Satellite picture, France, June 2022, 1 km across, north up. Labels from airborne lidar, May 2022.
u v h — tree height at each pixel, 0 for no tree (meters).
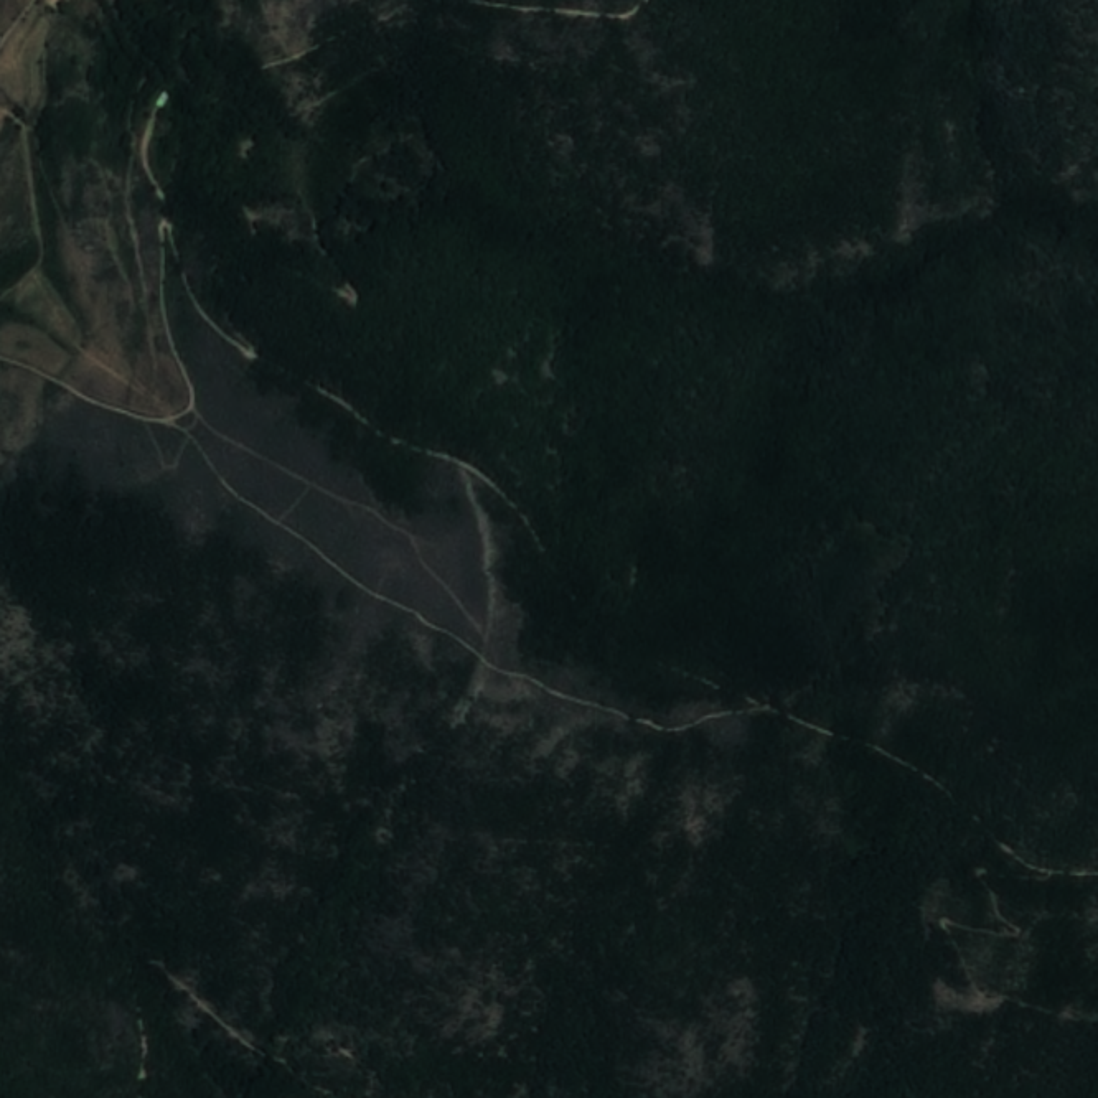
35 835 15
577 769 6
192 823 7
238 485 0
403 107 15
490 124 11
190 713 6
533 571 9
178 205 7
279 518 0
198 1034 15
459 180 19
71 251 0
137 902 9
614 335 17
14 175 0
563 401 11
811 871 7
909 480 10
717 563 17
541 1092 14
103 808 8
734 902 8
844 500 11
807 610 11
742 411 8
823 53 10
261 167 17
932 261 23
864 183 12
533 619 8
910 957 10
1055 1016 7
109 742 10
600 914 8
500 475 9
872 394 12
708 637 11
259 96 15
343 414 7
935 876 10
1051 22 9
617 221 11
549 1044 12
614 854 6
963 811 8
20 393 0
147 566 9
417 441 8
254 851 8
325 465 0
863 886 20
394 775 7
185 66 11
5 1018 6
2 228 0
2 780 12
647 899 7
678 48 8
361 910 8
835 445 10
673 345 13
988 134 14
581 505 11
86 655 8
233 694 7
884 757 6
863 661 7
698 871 7
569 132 10
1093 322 13
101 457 0
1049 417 11
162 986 10
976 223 14
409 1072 10
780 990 9
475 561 0
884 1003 10
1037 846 6
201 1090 15
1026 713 12
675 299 13
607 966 8
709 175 8
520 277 11
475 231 21
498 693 0
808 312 15
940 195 8
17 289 0
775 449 23
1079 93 6
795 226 12
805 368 20
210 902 8
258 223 18
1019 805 9
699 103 8
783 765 6
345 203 23
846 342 13
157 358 0
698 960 7
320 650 5
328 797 6
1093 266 13
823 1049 13
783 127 10
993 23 10
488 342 12
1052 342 10
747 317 14
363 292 14
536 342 13
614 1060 9
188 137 11
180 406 0
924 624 7
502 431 7
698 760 8
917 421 12
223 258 13
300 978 13
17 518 12
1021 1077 10
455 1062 9
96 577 10
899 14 14
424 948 8
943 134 9
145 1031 7
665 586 10
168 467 0
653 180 10
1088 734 10
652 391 14
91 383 0
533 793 7
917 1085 11
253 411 0
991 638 6
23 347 0
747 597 14
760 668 12
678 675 8
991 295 8
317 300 13
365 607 0
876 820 8
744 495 15
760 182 10
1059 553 11
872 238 11
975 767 8
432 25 10
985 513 7
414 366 10
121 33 15
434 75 20
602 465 8
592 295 17
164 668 8
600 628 13
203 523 0
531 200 14
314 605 6
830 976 7
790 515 14
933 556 8
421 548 0
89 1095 6
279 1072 16
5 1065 9
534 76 8
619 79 6
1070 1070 12
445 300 11
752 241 13
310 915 12
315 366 11
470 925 6
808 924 10
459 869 7
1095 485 12
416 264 13
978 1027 10
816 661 12
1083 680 10
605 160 8
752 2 9
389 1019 8
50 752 7
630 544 10
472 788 7
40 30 0
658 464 9
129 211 0
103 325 0
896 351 10
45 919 12
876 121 9
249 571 7
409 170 17
